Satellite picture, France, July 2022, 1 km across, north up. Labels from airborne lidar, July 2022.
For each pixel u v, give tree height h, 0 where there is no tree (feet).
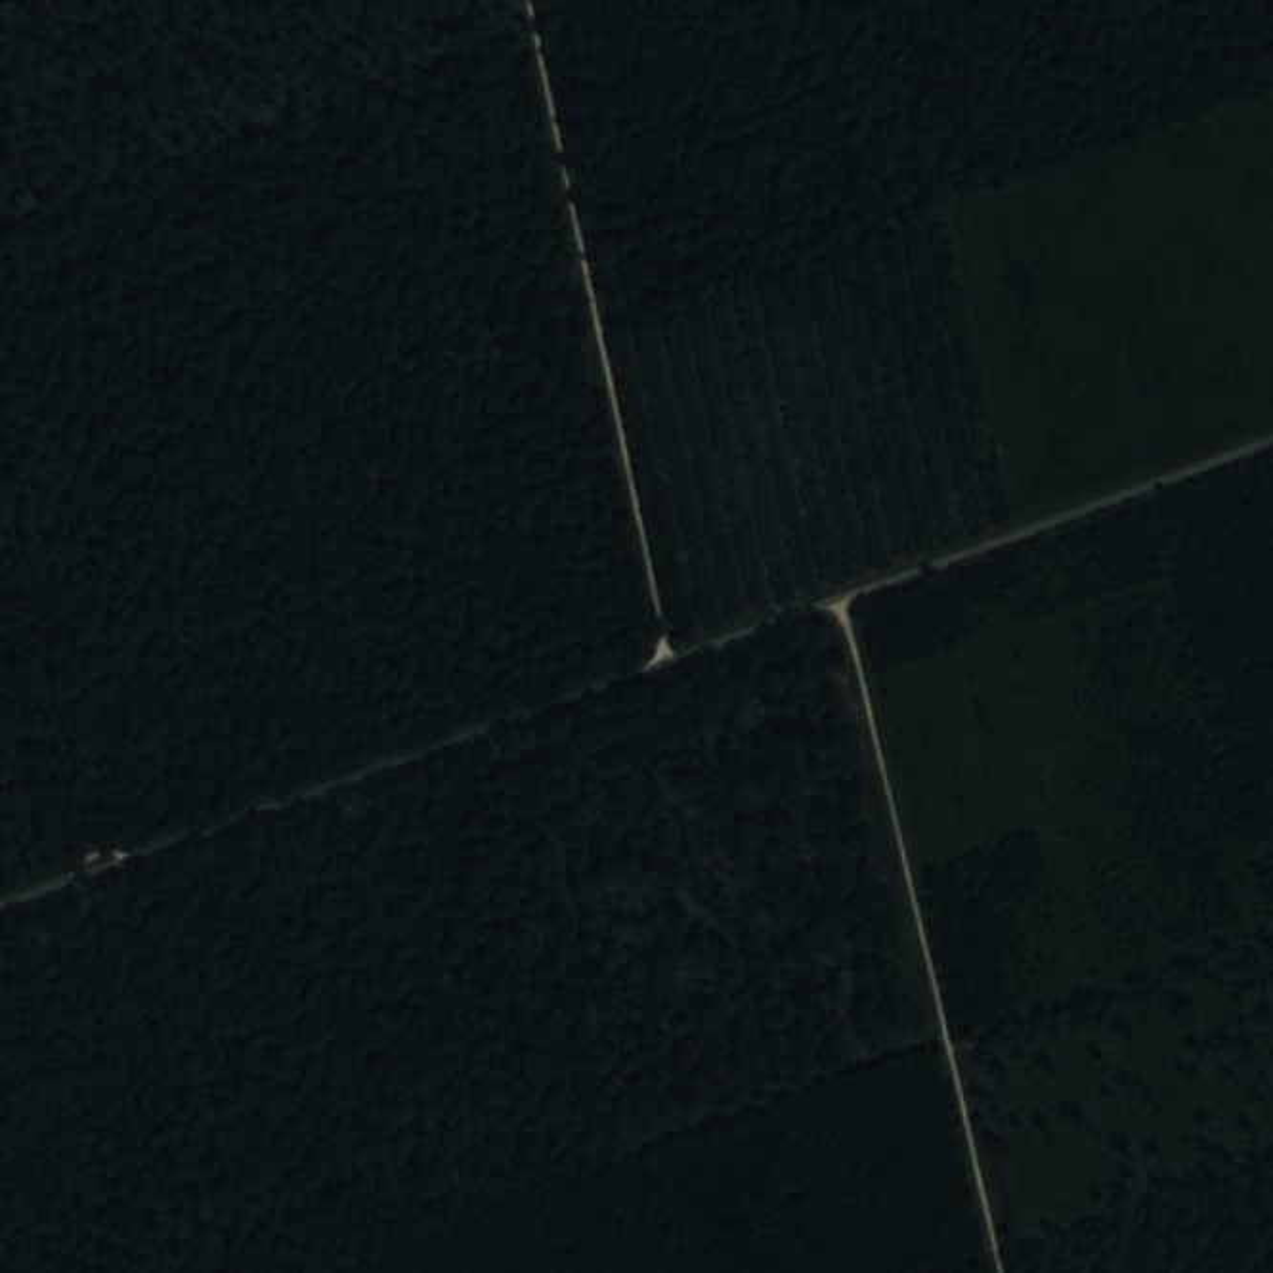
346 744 69
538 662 50
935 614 22
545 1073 67
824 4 85
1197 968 74
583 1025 87
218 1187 100
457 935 86
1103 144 70
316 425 69
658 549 47
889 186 73
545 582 65
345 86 76
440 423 91
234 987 75
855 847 85
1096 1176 0
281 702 88
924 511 54
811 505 56
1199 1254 82
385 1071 88
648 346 54
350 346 72
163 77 87
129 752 74
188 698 77
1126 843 22
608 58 88
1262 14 85
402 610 72
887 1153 38
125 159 81
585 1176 48
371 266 89
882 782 0
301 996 79
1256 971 70
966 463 38
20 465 80
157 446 82
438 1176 79
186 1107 83
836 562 56
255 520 82
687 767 92
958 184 55
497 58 85
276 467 80
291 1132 86
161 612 67
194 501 70
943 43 80
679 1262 38
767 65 77
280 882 70
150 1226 82
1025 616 20
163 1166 97
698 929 94
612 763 78
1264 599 34
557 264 84
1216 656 32
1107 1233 75
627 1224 44
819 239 47
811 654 82
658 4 96
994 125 87
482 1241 38
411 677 68
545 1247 36
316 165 75
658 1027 94
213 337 77
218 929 79
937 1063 42
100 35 53
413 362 60
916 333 35
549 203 50
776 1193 40
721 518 48
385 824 89
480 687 69
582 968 84
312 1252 64
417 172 72
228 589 75
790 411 53
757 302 53
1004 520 38
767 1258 45
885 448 46
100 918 70
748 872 83
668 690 83
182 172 59
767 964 98
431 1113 76
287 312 65
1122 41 80
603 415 56
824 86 59
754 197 73
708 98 69
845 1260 46
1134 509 29
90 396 76
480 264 95
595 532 90
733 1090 90
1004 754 0
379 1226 76
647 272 55
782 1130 54
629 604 72
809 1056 81
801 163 77
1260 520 30
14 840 89
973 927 33
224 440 88
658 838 99
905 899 0
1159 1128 0
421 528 73
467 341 86
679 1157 48
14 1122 71
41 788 82
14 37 83
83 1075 74
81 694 79
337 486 79
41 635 82
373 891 81
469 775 57
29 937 61
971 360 32
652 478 54
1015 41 79
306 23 79
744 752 92
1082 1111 86
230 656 63
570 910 53
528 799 88
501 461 87
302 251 80
